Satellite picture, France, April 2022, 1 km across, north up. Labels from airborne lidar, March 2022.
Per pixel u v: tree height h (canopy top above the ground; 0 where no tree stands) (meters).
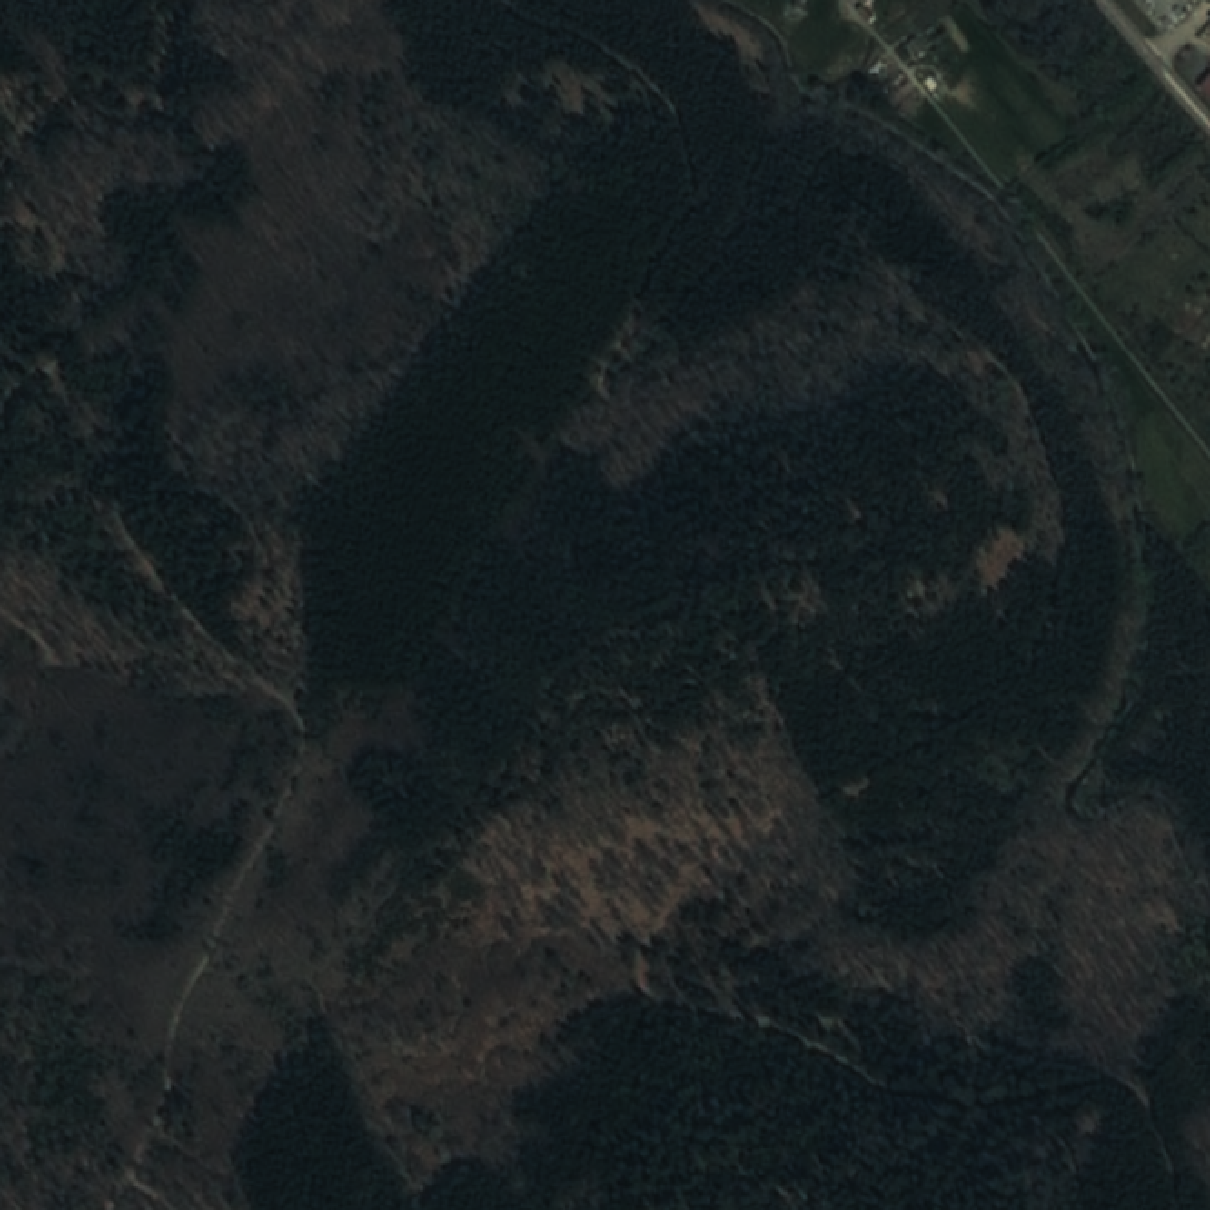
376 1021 23
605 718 9
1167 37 0
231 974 11
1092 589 32
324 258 13
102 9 33
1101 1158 18
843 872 28
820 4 0
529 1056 11
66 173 23
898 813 10
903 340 22
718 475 13
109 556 10
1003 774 16
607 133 22
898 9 0
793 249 22
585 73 22
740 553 15
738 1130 12
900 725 33
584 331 31
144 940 13
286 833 8
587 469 22
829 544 22
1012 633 28
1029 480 24
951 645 27
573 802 19
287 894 13
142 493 25
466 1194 28
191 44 21
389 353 11
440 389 27
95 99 7
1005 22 24
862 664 26
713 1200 7
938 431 23
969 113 0
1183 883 28
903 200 21
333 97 14
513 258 23
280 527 25
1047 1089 27
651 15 23
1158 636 22
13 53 25
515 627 25
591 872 0
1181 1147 23
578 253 26
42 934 8
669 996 22
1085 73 26
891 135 16
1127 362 0
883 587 27
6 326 16
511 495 29
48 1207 20
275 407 9
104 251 27
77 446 8
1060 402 27
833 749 25
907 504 26
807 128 22
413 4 22
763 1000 23
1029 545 17
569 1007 24
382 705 13
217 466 24
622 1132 14
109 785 12
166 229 24
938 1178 30
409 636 28
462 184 19
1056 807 30
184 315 28
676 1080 13
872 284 26
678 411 25
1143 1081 25
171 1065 6
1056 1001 21
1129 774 27
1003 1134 30
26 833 12
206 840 11
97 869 11
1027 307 30
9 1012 8
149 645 17
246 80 29
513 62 20
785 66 14
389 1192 25
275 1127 22
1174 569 31
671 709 14
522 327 25
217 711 13
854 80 0
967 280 23
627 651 13
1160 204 0
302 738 9
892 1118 10
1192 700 31
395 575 26
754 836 28
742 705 13
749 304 27
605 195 25
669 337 22
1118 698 22
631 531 24
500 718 15
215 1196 25
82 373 14
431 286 11
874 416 22
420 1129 14
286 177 17
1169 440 0
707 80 24
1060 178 0
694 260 25
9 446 28
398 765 24
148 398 30
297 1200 25
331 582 24
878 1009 28
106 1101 7
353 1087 17
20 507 10
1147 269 0
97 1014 8
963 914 23
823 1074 8
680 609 13
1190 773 24
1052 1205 28
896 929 25
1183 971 23
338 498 23
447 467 30
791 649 20
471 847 17
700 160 24
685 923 9
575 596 16
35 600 26
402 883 6
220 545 20
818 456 25
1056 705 28
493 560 25
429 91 21
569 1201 19
